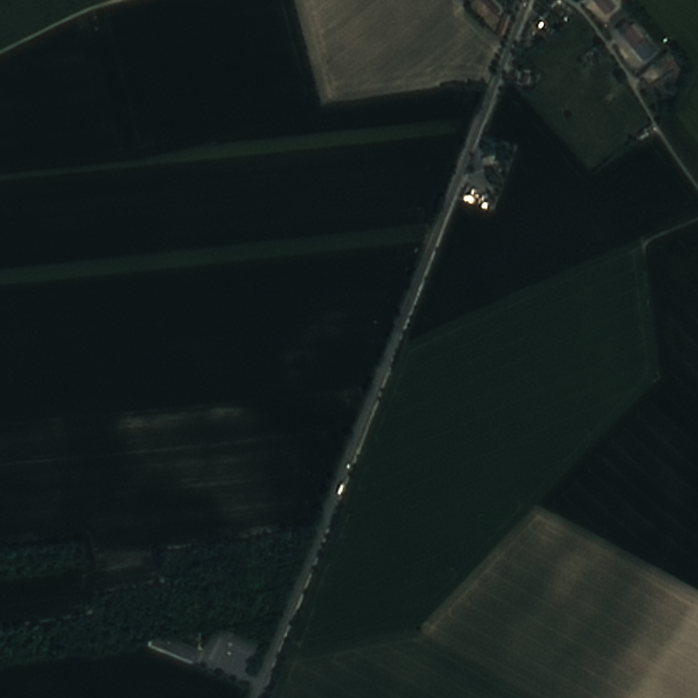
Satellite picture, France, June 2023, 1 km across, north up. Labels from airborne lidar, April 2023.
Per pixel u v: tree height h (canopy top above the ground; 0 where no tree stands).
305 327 0
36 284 0
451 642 0
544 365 0
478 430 0
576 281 0
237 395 0
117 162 0
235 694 0
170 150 0
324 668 0
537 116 0
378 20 0
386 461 0
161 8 0
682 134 0
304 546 16
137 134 0
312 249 0
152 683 0
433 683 0
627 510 0
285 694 0
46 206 0
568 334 0
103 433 0
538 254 0
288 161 0
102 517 0
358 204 0
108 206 0
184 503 0
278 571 17
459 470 0
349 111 0
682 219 0
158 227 0
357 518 0
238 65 0
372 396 0
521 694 0
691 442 0
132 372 0
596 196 0
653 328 0
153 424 0
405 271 0
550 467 0
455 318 0
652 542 0
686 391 0
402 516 0
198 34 0
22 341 0
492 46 0
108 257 0
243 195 0
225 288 0
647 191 0
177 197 0
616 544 0
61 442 0
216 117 0
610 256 0
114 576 0
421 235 0
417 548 0
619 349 0
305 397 0
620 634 0
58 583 0
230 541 14
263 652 8
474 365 0
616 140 0
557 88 0
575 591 0
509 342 0
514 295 0
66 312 0
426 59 0
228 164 0
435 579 0
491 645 0
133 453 0
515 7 7
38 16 0
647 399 0
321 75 0
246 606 19
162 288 0
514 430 0
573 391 0
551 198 0
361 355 0
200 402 0
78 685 0
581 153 0
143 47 0
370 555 0
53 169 0
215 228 0
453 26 0
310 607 0
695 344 0
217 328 0
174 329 0
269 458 0
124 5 0
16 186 0
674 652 0
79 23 0
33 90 0
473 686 0
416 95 0
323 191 0
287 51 0
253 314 0
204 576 18
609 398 0
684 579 0
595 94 0
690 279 0
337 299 0
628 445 0
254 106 0
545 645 0
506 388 0
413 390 0
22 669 0
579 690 0
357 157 0
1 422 0
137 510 0
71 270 0
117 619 15
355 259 0
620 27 0
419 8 0
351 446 0
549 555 0
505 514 0
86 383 0
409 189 0
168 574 13
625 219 0
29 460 0
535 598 0
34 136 0
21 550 13
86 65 0
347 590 0
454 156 0
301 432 0
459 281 0
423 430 0
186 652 0
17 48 0
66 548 18
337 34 0
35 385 0
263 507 0
